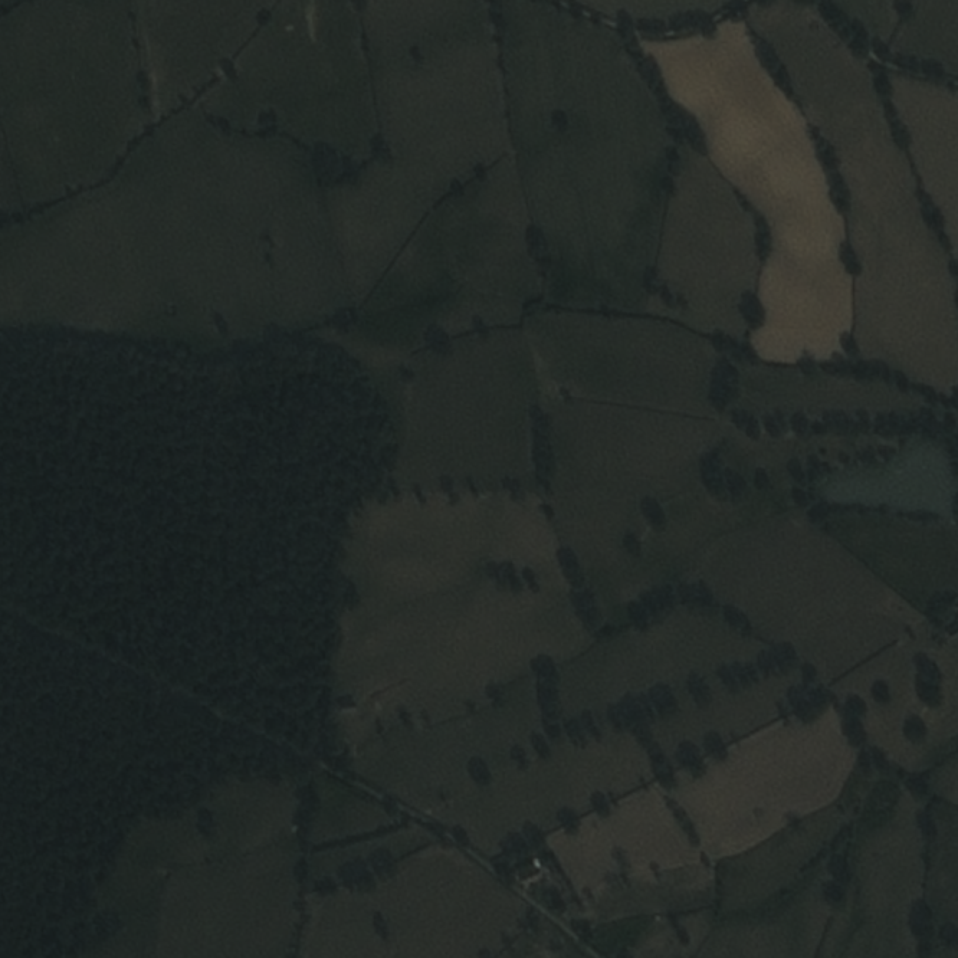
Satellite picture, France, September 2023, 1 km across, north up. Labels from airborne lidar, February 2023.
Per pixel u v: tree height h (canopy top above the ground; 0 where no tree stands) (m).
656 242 0
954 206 0
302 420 20
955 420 9
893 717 0
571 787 0
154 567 19
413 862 0
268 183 0
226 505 18
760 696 0
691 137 21
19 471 23
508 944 16
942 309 0
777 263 0
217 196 0
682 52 0
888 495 0
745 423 13
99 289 0
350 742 0
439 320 0
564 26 0
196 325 0
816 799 0
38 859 23
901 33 0
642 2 0
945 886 0
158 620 18
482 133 0
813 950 0
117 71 0
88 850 12
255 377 22
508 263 0
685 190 0
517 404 0
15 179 0
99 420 20
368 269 0
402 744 0
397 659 0
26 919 23
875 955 0
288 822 0
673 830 0
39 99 0
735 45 0
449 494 19
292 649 15
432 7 0
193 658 22
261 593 24
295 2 0
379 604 0
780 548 0
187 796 23
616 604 0
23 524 23
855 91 0
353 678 0
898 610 0
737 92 0
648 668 0
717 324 0
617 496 0
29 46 0
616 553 0
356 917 0
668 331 0
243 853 0
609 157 0
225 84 0
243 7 0
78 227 0
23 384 23
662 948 0
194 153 0
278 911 0
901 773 8
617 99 0
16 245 0
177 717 23
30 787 24
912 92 0
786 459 0
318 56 0
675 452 0
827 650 0
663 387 0
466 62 0
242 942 0
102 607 22
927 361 0
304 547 23
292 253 0
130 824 19
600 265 0
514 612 0
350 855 0
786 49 0
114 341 12
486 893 0
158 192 0
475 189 0
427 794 0
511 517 0
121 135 0
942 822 0
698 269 0
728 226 0
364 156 0
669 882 0
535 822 0
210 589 25
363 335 0
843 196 16
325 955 0
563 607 0
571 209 0
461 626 0
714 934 0
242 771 21
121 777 24
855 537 0
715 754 18
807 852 0
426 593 0
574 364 0
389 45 0
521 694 0
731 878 0
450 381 0
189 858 0
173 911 0
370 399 12
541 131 0
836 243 0
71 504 22
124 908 0
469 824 0
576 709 0
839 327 0
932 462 0
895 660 0
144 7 0
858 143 0
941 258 0
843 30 14
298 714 22
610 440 0
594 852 0
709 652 0
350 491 24
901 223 0
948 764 0
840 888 6
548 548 0
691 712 0
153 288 0
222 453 19
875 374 15
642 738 19
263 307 0
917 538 0
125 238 0
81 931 23
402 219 0
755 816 0
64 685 26
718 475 20
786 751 0
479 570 0
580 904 13
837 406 0
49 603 25
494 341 0
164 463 22
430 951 0
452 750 0
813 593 0
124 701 24
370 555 0
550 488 16
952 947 13
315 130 0
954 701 0
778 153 0
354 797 0
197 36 0
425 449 0
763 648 0
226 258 0
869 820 0
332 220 0
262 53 0
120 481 21
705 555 0
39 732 23
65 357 17
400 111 0
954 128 0
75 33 0
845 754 0
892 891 0
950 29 0
